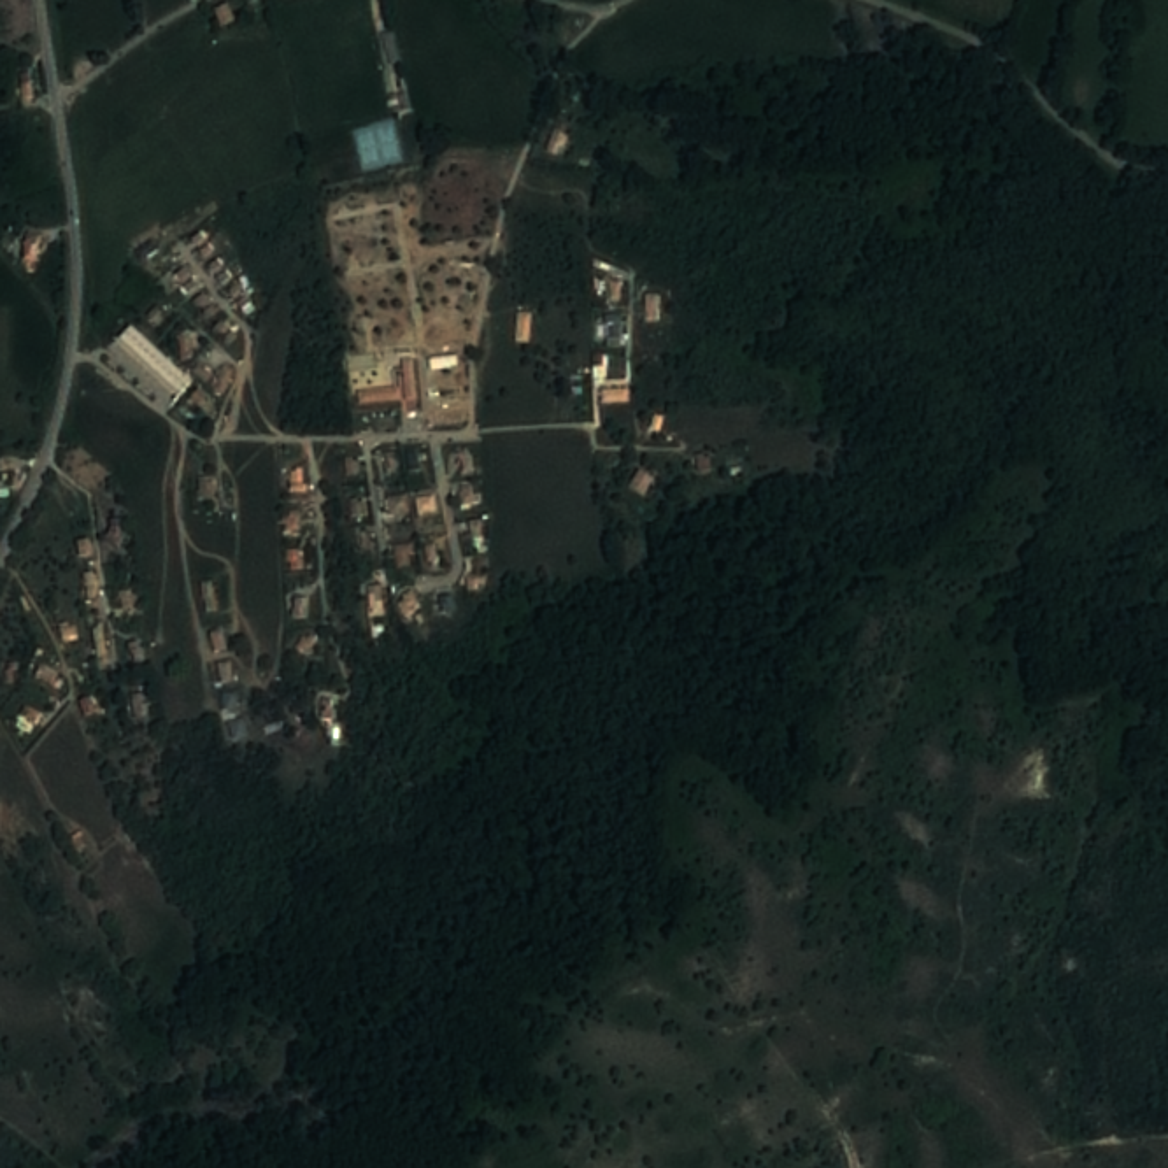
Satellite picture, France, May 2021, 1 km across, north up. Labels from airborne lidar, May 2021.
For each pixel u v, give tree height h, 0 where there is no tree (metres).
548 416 0
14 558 9
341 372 6
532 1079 22
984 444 8
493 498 0
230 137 0
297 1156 22
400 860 21
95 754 9
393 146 0
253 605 0
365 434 0
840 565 17
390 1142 28
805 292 15
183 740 9
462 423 0
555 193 0
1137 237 26
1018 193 27
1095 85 0
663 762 23
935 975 0
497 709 18
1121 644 21
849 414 11
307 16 0
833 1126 0
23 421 0
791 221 7
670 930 18
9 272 0
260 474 0
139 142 0
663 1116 0
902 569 13
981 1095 0
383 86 0
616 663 19
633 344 0
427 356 0
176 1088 12
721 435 0
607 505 6
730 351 6
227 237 0
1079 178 19
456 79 0
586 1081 9
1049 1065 0
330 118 0
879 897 9
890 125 25
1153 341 13
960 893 0
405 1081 22
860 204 8
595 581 13
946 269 12
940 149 18
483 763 19
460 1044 29
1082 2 9
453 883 14
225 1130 22
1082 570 9
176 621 0
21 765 0
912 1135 0
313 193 0
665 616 21
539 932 24
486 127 0
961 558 8
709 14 0
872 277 12
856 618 11
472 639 7
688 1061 0
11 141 9
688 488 11
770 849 6
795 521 27
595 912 24
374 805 12
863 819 7
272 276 0
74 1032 7
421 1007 22
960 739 12
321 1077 23
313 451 0
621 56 0
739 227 8
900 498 6
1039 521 19
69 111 0
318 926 17
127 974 11
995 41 16
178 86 0
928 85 18
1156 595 15
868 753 0
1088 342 11
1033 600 17
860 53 15
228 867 6
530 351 7
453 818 23
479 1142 20
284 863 8
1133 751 16
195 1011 19
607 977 0
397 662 8
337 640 7
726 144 32
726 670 22
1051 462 7
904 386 15
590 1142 0
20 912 0
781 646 25
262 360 0
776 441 0
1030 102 21
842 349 12
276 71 0
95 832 0
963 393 8
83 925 7
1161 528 16
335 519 8
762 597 30
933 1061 0
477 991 28
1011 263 22
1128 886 6
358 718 8
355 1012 27
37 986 0
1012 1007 7
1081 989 7
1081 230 26
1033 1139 0
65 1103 0
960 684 6
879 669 8
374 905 16
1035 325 11
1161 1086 9
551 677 19
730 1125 0
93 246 0
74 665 0
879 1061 10
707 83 5
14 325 0
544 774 20
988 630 8
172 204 0
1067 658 24
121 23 0
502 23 6
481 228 6
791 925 0
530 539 0
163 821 14
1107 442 9
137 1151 24
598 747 22
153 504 0
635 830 24
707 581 23
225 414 0
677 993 0
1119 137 9
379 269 0
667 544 24
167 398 0
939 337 6
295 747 0
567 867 14
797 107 20
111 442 0
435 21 0
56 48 0
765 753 24
